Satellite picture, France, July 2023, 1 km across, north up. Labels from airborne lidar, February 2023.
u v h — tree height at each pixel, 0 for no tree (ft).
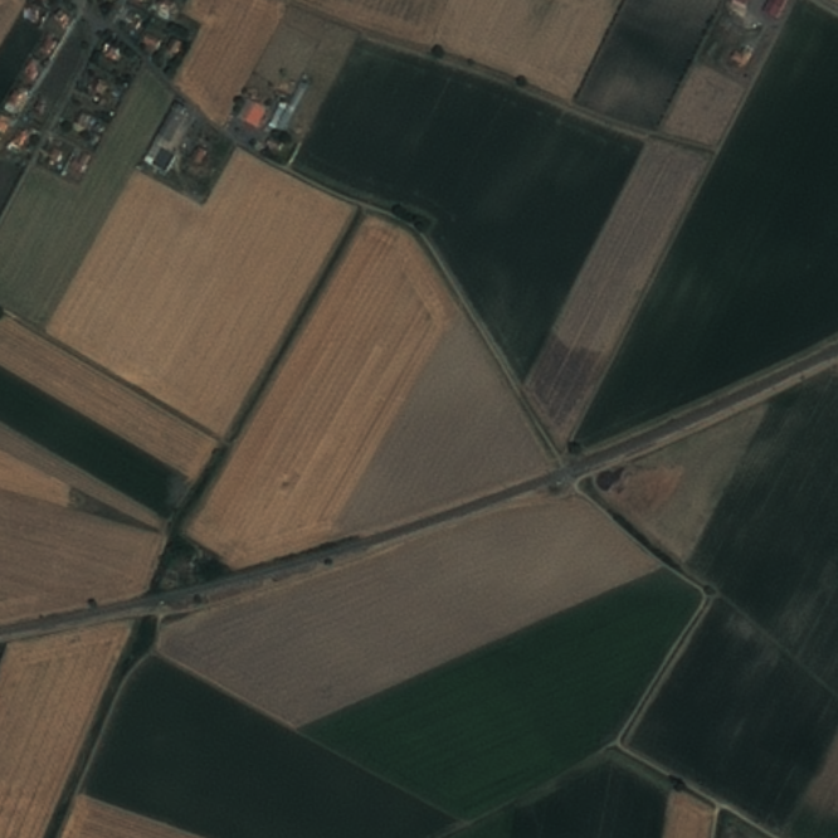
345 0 0
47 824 0
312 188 0
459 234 0
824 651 0
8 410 0
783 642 0
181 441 0
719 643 0
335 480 0
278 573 0
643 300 0
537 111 0
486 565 0
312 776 0
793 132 0
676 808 0
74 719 0
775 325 0
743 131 0
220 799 0
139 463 0
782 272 0
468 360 0
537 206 0
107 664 0
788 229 0
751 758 0
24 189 0
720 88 0
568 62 0
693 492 0
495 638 0
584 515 0
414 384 0
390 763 0
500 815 0
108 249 0
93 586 0
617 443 0
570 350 0
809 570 0
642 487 0
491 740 0
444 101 0
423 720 0
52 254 0
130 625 0
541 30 0
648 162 0
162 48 18
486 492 0
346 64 0
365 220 0
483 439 0
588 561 0
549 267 0
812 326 0
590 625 0
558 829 0
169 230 0
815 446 0
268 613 0
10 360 0
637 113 0
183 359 0
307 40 0
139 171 0
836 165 0
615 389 0
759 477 0
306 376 0
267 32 0
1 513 0
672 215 0
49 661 0
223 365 0
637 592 0
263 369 0
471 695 0
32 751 0
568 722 0
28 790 0
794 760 0
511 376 0
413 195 0
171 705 0
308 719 0
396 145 0
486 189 0
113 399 0
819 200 0
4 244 0
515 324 0
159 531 0
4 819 0
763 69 0
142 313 0
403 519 0
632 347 0
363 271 0
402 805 0
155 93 0
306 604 0
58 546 0
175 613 0
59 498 0
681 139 0
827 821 0
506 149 0
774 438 0
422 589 0
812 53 0
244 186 0
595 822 0
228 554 0
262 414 0
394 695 0
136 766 0
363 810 0
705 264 0
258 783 0
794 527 0
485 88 0
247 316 0
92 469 0
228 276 0
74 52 0
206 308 0
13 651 0
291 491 0
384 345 0
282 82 0
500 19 0
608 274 0
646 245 0
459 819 0
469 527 0
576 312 0
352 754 0
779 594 0
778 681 0
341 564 0
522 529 0
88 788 0
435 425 0
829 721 0
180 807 0
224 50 0
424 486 0
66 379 0
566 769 0
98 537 0
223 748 0
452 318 0
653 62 0
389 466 0
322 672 0
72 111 0
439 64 0
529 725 0
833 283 0
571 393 0
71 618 0
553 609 0
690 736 0
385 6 0
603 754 0
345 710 0
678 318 0
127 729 0
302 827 0
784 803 0
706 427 0
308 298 0
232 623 0
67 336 0
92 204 0
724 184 0
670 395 0
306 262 0
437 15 0
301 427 0
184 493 0
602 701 0
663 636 0
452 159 0
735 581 0
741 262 0
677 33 0
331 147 0
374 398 0
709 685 0
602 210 0
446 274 0
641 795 0
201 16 0
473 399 0
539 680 0
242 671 0
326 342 0
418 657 0
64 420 0
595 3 0
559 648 0
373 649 0
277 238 0
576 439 0
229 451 0
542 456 0
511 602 0
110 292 0
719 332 0
